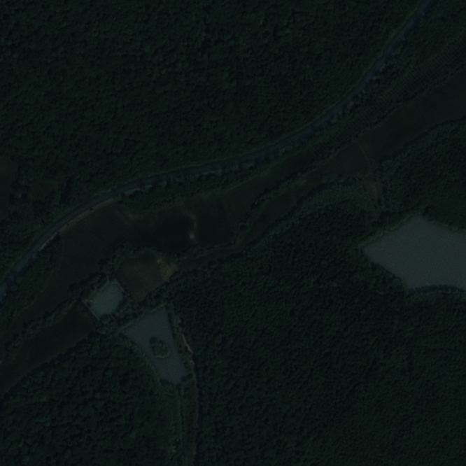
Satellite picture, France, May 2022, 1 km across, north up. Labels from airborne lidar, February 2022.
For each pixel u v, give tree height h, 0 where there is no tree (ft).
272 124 73
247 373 55
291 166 0
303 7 89
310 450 62
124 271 0
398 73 60
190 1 95
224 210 0
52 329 0
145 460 89
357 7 81
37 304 0
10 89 76
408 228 0
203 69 74
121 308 45
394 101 0
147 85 89
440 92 0
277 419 77
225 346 73
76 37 92
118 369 99
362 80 0
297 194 0
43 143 73
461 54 0
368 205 59
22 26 96
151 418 101
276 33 98
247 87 82
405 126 0
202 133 79
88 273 0
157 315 0
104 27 91
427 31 70
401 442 64
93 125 78
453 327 73
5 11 95
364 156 0
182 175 43
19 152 71
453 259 0
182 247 0
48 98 68
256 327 67
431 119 0
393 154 0
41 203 0
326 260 74
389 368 70
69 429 97
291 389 63
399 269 0
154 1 95
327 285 49
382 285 78
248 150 68
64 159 71
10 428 87
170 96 77
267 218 0
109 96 79
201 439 60
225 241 0
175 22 94
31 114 76
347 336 75
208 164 0
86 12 92
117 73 81
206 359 78
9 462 91
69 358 57
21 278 62
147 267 0
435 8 71
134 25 93
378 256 0
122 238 0
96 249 0
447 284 0
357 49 74
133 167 76
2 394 0
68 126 77
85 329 0
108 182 74
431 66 0
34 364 0
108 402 66
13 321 33
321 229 75
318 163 48
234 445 78
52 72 80
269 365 69
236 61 78
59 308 23
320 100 73
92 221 0
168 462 75
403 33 0
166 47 82
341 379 71
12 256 72
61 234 0
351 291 80
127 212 0
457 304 77
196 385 0
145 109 78
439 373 63
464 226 41
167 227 0
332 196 87
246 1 95
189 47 86
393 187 66
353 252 80
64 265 0
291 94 80
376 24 72
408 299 69
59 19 94
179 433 62
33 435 93
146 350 0
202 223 0
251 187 0
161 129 80
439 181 63
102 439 96
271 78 73
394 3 86
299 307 67
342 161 0
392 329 79
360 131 34
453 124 45
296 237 68
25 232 71
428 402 71
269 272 64
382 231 50
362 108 57
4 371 0
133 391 89
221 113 79
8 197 0
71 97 70
